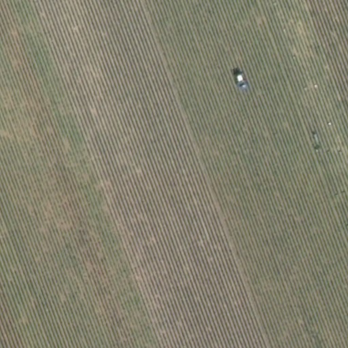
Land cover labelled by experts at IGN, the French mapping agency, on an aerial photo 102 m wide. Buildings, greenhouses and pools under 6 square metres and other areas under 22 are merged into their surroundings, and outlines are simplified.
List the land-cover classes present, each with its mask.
<instances>
[{"label":"vineyard","instance_id":"1","mask_svg":"<svg viewBox=\"0 0 348 348\"><path fill-rule=\"evenodd\" d=\"M0 348H348V0H0Z\"/></svg>","mask_w":348,"mask_h":348}]
</instances>
